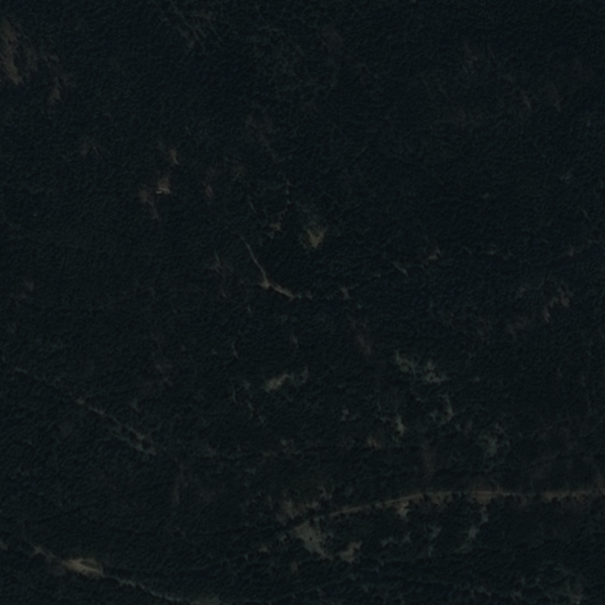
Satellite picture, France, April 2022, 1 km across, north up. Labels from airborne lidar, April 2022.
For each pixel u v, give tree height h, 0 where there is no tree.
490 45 21
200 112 24
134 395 18
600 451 14
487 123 20
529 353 19
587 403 17
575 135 16
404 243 25
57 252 22
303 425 12
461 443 16
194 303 22
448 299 25
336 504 14
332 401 18
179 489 20
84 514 19
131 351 17
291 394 10
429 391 16
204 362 19
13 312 18
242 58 15
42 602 18
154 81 21
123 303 25
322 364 13
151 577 26
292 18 16
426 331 20
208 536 23
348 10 8
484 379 10
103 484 20
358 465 16
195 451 19
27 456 22
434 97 22
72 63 22
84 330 24
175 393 16
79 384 19
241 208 19
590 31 20
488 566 19
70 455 23
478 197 16
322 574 20
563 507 15
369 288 11
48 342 17
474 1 9
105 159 26
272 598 28
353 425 15
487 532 13
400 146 19
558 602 18
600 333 19
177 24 28
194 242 23
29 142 23
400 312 12
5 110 22
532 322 17
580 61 23
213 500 19
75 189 18
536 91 24
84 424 19
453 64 17
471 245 21
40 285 22
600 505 20
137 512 21
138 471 22
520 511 18
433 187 18
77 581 18
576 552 17
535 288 22
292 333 15
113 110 21
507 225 17
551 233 21
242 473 14
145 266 23
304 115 12
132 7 28
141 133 24
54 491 24
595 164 20
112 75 24
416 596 25
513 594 22
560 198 24
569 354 18
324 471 18
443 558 15
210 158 24
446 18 13
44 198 21
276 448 12
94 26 27
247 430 10
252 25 12
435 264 13
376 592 34
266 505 9
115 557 22
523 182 21
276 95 18
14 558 18
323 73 10
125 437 13
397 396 20
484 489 9
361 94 9
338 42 17
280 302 14
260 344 14
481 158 22
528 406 17
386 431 14
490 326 19
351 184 22
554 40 22
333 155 24
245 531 19
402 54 21
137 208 22
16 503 24
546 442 12
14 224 18
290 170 17
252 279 19
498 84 27
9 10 26
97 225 21
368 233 11
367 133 22
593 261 20
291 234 11
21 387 17
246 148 19
